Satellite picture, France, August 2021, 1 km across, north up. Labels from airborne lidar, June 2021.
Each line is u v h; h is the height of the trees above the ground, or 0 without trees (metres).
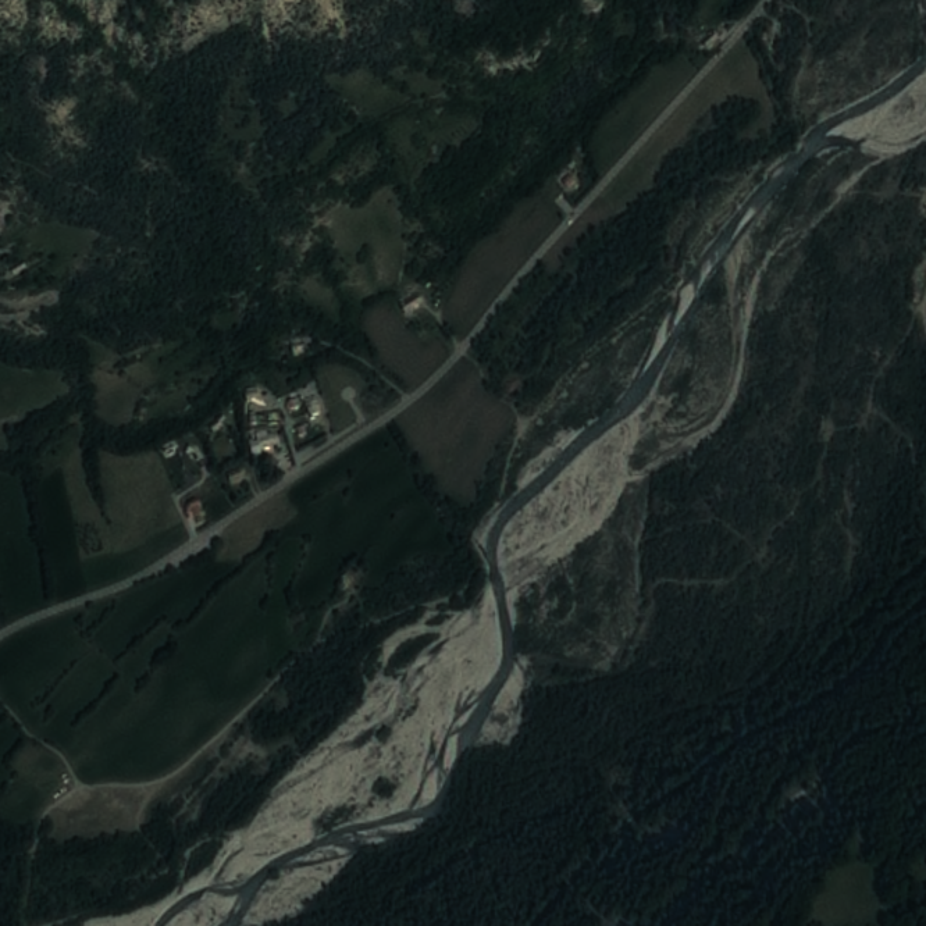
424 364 0
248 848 0
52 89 12
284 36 6
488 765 10
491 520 0
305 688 15
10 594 0
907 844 28
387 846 6
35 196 9
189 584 0
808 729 20
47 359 13
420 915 22
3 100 11
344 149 11
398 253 0
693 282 0
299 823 0
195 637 0
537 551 0
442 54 8
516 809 9
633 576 0
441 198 13
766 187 0
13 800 0
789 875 24
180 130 10
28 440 20
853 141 0
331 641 12
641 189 0
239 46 6
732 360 0
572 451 0
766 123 0
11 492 0
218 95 14
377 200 0
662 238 11
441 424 0
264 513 0
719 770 22
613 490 0
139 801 0
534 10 8
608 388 0
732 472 6
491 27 8
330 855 0
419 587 8
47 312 15
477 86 6
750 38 7
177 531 0
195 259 6
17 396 0
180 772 0
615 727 7
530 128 9
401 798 0
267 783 11
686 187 12
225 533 0
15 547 0
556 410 0
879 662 20
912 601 19
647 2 7
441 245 8
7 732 0
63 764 0
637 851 23
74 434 0
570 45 8
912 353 7
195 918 0
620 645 0
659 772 7
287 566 0
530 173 11
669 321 0
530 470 0
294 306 8
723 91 0
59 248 0
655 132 0
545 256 0
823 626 11
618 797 18
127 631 0
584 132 11
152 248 9
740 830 17
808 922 10
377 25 6
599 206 0
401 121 0
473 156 13
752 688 6
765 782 20
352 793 0
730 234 0
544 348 9
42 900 7
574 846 25
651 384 0
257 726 9
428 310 0
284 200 11
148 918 0
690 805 24
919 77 0
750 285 0
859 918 0
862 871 0
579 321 7
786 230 0
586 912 14
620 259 17
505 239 0
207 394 11
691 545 7
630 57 15
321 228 6
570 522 0
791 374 6
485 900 25
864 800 27
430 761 0
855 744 12
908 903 6
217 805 9
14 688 0
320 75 7
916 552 12
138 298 11
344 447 0
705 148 12
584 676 9
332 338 6
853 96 0
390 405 0
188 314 7
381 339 0
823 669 15
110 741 0
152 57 7
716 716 14
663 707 14
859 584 12
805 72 0
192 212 7
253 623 0
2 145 12
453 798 10
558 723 6
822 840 9
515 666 0
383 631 12
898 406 8
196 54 16
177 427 18
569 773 12
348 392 0
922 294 0
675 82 0
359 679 9
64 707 0
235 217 15
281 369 8
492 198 10
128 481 0
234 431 12
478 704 0
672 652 6
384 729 8
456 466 0
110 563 0
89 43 12
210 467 12
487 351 10
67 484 0
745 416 7
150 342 6
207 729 0
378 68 12
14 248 11
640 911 15
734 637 7
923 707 25
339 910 9
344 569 8
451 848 12
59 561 0
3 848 12
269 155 7
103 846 6
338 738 0
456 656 0
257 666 0
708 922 24
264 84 11
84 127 7
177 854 10
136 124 7
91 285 6
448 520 8
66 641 0
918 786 16
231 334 6
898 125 0
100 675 0
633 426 0
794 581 7
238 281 8
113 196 10
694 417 0
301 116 14
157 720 0
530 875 22
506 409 0
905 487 14
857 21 6
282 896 0
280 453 0
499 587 0
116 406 0
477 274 0
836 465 8
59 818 0
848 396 7
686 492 12
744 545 6
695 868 10
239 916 0
